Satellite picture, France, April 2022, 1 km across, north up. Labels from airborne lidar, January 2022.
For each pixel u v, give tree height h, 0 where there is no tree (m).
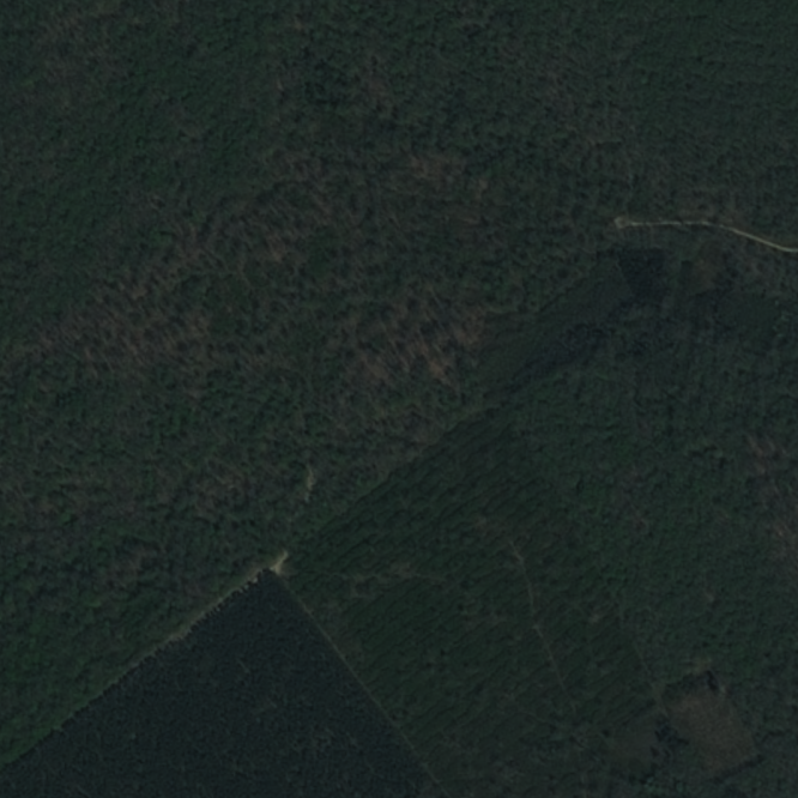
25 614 24
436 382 30
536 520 24
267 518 25
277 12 24
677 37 22
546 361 21
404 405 20
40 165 28
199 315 29
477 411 23
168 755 19
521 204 27
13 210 27
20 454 22
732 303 14
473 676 22
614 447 22
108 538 22
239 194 26
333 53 22
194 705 18
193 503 30
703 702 0
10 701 22
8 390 24
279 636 16
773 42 21
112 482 23
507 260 25
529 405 19
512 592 19
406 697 21
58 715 22
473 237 9
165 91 19
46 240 27
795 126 24
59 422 23
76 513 25
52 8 24
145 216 24
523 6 22
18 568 21
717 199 0
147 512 22
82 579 28
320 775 16
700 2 23
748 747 0
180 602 23
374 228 23
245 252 28
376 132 28
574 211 30
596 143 21
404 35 26
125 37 22
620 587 21
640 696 21
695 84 23
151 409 20
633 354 25
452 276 20
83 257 21
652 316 20
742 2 20
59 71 21
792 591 27
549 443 21
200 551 23
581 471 16
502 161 23
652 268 15
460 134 24
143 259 25
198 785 18
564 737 27
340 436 24
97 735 18
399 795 16
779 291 22
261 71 25
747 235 0
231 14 25
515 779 25
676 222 0
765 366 24
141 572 27
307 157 28
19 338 24
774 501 23
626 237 23
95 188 23
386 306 25
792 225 26
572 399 23
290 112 26
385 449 21
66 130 21
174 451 27
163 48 20
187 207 26
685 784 15
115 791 20
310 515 24
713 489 24
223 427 24
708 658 21
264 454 24
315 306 24
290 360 9
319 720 15
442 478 21
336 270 26
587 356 23
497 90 22
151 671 16
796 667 26
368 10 23
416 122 25
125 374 27
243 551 26
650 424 28
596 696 22
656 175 25
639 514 27
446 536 17
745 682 29
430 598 7
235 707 16
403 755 16
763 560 24
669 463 23
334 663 14
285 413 21
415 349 32
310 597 21
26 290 27
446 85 21
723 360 24
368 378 26
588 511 25
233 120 26
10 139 24
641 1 19
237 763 16
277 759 15
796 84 23
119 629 24
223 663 15
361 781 14
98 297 26
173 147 24
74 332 27
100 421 23
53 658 22
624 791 24
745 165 26
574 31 23
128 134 24
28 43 22
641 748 0
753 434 28
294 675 13
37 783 18
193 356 29
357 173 28
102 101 20
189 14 21
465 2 23
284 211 32
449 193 27
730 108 25
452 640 22
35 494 24
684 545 23
